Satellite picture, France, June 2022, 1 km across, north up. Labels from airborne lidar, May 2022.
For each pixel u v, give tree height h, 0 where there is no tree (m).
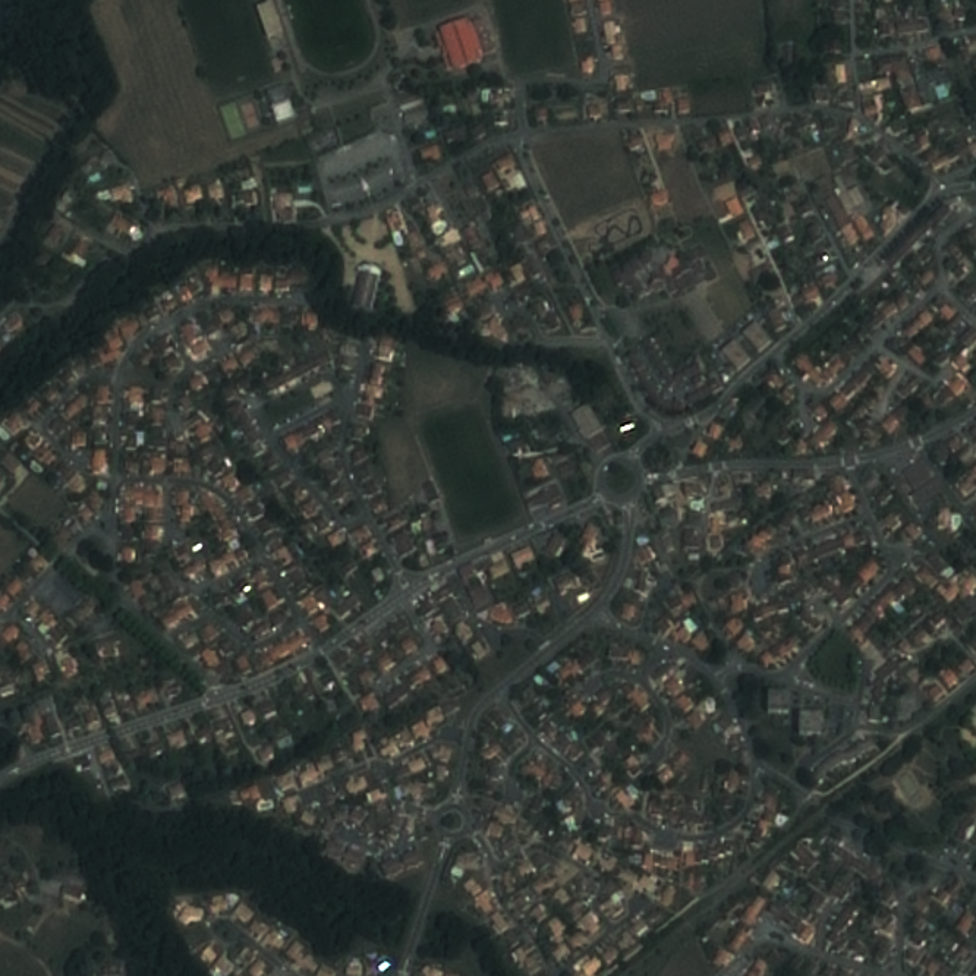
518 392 0
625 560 0
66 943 0
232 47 0
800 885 7
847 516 7
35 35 23
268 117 8
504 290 0
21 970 0
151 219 9
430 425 0
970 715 9
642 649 7
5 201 0
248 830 14
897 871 12
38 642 0
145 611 8
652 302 0
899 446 0
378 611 0
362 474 0
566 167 0
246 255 19
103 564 13
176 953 20
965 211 0
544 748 0
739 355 0
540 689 10
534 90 8
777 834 8
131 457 7
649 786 15
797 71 9
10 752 17
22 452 8
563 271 12
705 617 11
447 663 13
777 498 15
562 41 0
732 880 0
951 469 14
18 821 17
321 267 15
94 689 12
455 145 7
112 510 0
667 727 0
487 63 0
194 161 0
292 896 23
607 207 0
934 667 6
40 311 15
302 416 0
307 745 15
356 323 18
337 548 12
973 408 0
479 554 0
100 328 13
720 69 0
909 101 0
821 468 0
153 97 0
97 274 17
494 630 0
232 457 6
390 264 0
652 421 0
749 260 0
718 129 9
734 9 0
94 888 17
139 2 0
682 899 0
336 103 0
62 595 0
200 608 0
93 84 16
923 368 6
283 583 0
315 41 0
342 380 8
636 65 0
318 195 8
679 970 0
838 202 0
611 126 0
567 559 17
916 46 0
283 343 0
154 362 7
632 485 0
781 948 7
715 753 0
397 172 0
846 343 6
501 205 7
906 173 6
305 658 0
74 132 18
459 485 0
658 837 0
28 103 0
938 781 8
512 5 0
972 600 0
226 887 7
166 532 0
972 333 0
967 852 0
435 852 0
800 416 0
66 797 11
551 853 6
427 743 0
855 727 0
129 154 0
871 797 18
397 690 0
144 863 13
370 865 8
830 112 0
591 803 0
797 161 0
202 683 7
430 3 0
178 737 0
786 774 0
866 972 0
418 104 0
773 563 6
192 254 13
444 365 0
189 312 0
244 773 13
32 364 14
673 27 0
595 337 0
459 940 19
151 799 18
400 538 0
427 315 15
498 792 7
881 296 8
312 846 16
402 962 0
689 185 0
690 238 0
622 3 0
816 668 7
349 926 14
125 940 14
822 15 8
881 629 7
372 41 0
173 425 0
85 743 0
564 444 15
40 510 0
